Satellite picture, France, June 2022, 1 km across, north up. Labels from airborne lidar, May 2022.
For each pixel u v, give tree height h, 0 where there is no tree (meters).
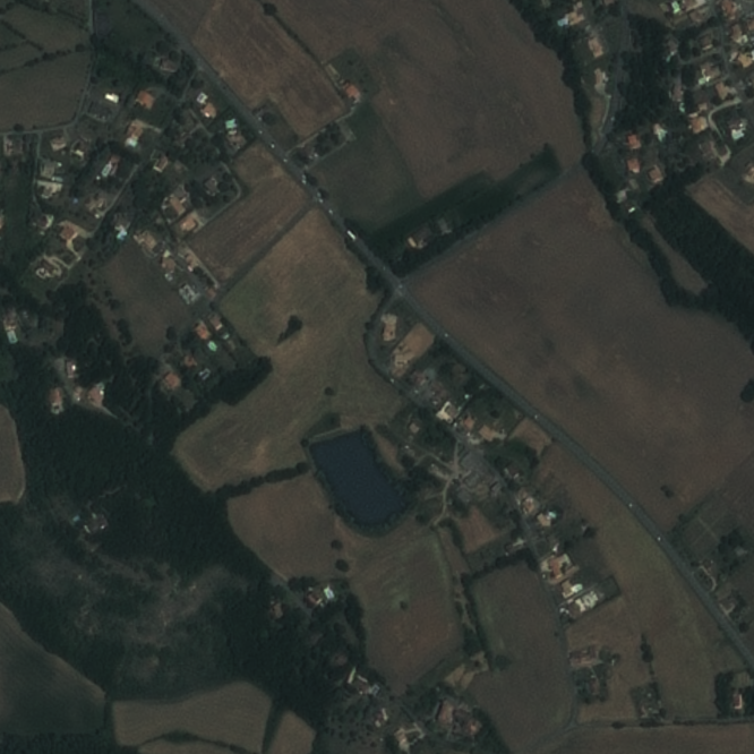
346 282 0
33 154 8
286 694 16
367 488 0
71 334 13
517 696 0
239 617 17
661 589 0
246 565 14
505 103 0
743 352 0
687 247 14
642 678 0
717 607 0
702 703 0
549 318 0
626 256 0
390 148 0
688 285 0
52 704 0
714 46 7
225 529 15
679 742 0
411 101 0
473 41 0
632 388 0
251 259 0
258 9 0
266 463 0
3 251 6
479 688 0
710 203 0
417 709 10
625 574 0
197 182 12
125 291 0
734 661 0
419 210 0
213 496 15
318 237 0
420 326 0
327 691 13
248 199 0
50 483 9
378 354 0
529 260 0
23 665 0
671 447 0
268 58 0
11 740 29
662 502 0
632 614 0
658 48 13
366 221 0
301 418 0
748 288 13
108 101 0
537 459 8
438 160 0
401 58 0
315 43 0
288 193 0
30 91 0
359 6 0
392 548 0
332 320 0
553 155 0
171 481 13
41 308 10
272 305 0
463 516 0
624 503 0
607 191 17
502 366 0
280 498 0
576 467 0
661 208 7
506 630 0
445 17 0
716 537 0
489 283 0
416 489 15
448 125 0
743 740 0
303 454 0
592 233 0
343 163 0
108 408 13
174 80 6
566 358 0
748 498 0
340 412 0
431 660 0
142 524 12
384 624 0
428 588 0
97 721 0
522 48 0
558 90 0
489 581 0
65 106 0
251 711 0
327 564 0
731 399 0
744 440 0
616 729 11
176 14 0
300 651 7
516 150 0
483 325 0
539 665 0
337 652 13
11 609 8
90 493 11
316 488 0
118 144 16
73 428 13
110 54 5
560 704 0
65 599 6
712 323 0
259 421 0
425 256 13
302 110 0
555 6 7
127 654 6
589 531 11
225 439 0
